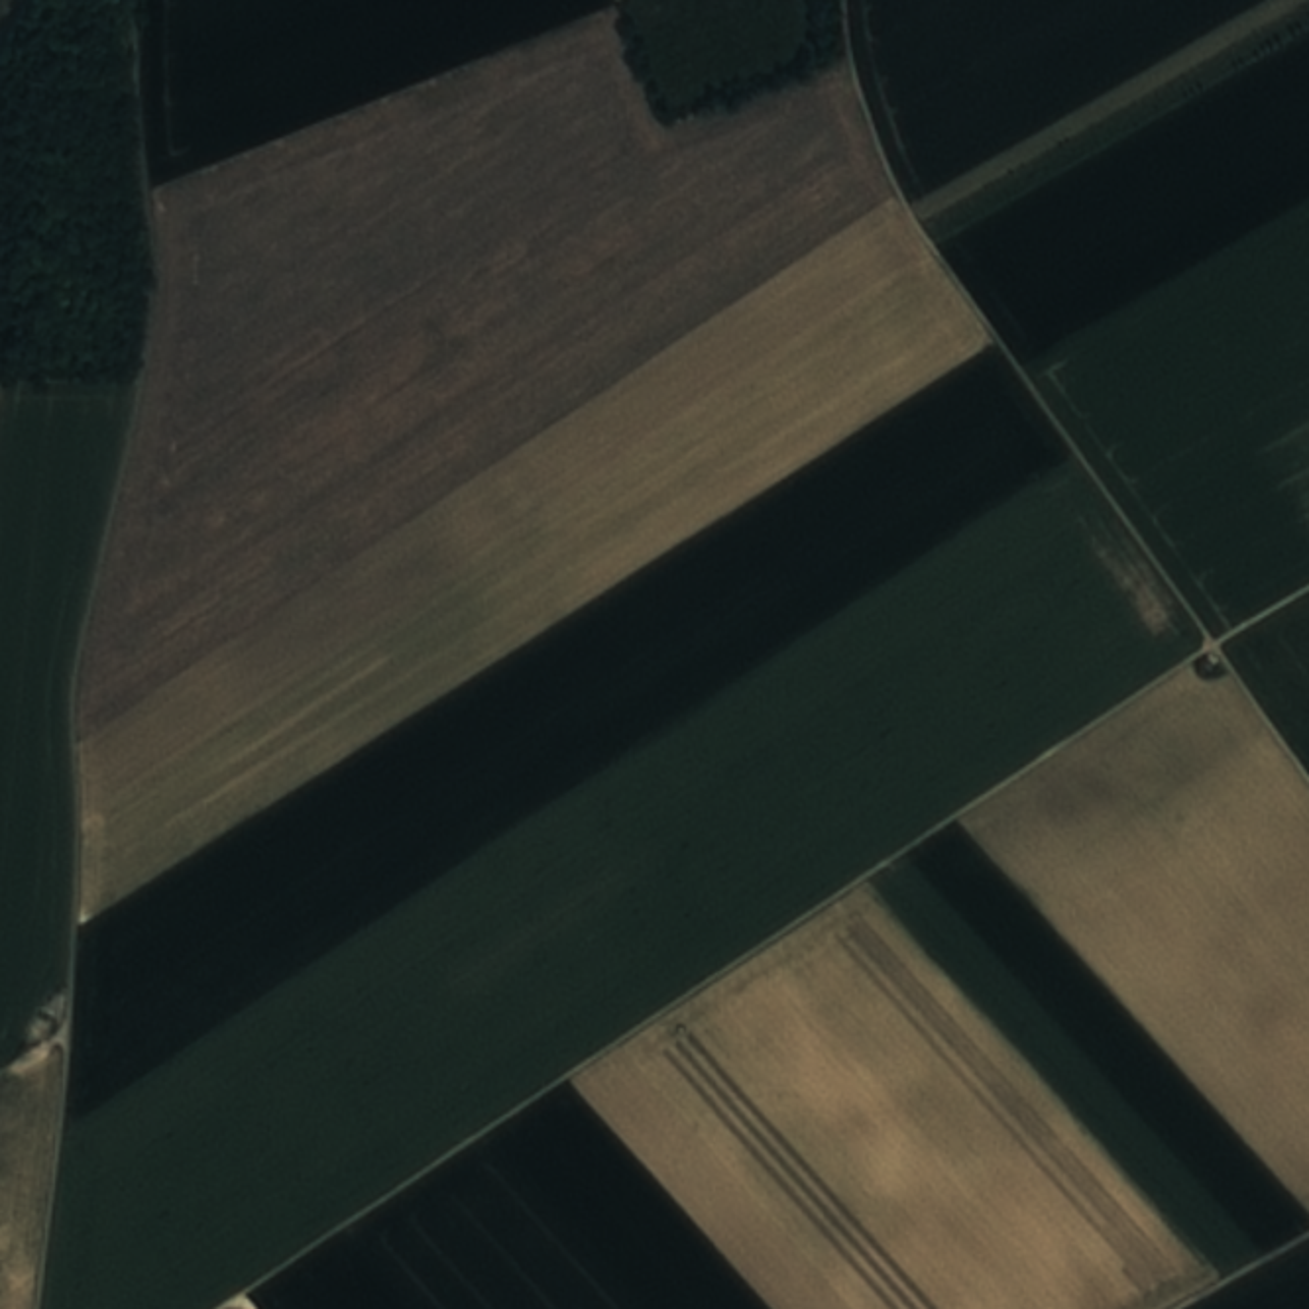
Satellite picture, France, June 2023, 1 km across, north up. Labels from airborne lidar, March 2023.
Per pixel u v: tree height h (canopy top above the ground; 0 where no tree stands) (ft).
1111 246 0
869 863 0
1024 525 0
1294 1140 0
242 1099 0
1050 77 0
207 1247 0
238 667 0
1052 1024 0
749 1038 0
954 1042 0
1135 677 0
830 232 0
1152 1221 0
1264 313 0
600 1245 0
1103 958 0
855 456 0
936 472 0
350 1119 0
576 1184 0
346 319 0
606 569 0
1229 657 0
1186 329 0
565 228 0
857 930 0
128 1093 0
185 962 0
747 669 0
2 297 93
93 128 73
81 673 0
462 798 0
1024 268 0
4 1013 0
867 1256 0
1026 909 0
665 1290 0
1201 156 0
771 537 0
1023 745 0
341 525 0
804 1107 0
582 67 0
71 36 64
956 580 0
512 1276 0
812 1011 0
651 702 0
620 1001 0
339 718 0
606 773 0
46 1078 0
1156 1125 0
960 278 0
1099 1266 0
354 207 0
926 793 0
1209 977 0
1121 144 0
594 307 0
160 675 0
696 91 0
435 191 0
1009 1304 0
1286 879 0
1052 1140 0
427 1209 0
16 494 0
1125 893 0
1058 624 0
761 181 0
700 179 0
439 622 0
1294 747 0
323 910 0
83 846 0
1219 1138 0
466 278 0
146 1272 0
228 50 0
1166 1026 0
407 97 0
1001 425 0
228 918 0
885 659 0
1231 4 0
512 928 0
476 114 0
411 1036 0
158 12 0
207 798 0
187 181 0
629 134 0
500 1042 0
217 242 0
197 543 0
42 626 0
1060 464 0
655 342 0
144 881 0
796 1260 0
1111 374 0
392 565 0
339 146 0
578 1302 0
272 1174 0
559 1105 0
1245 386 0
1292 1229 0
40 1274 0
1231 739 0
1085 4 0
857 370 0
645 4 0
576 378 0
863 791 0
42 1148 0
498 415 0
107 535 0
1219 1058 0
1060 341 0
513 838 0
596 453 0
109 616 0
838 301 0
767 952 0
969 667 0
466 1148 0
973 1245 0
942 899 0
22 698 0
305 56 0
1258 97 0
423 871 0
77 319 77
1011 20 0
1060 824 0
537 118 0
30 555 0
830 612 0
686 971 0
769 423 0
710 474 0
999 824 0
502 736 0
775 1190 0
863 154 0
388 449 0
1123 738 0
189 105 0
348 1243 0
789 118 0
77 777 0
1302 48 0
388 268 0
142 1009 0
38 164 83
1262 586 0
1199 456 0
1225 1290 0
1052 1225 0
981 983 0
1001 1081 0
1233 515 0
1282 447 0
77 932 0
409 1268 0
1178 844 0
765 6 0
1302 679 0
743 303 0
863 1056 0
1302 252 0
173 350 0
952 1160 0
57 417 0
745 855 0
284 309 0
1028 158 0
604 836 0
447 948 0
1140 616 0
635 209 0
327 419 0
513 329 0
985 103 0
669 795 0
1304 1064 0
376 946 0
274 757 0
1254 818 0
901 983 0
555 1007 0
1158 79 0
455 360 0
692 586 0
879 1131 0
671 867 0
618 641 0
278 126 0
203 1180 0
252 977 0
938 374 0
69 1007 0
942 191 0
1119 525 0
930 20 0
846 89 0
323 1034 0
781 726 0
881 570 0
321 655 0
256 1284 0
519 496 0
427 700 0
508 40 0
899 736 0
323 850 0
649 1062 0
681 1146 0
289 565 0
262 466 0
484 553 0
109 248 80
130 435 0
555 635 0
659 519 0
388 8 0
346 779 0
